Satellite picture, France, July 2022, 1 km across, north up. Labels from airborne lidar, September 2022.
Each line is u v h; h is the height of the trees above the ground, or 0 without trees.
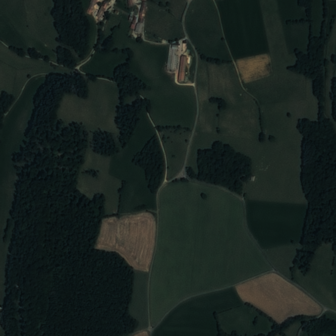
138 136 0
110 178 0
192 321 0
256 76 0
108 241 0
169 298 0
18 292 23
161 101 0
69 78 29
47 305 16
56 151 21
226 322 0
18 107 0
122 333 19
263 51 0
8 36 0
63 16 19
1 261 0
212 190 0
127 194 0
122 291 21
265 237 0
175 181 9
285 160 0
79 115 0
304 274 13
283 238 0
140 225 0
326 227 29
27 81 0
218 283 0
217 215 0
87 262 14
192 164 0
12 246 22
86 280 19
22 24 0
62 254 8
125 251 0
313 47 16
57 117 21
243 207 0
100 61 0
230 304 0
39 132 30
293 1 0
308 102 0
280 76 0
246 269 0
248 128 0
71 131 28
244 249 0
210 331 0
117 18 0
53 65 15
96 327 21
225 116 0
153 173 14
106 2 0
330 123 16
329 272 0
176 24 0
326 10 16
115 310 19
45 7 0
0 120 26
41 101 27
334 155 23
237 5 0
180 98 0
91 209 23
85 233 20
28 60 0
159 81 0
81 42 21
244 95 0
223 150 7
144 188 0
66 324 22
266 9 0
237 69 0
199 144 0
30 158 26
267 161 0
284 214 0
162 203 0
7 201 0
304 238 24
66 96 0
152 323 0
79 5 19
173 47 0
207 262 0
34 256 27
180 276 0
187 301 0
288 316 0
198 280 0
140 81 21
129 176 0
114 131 0
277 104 0
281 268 0
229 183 13
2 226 0
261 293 0
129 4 0
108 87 0
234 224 0
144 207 6
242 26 0
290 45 0
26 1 0
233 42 0
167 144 0
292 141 0
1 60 0
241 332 0
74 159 24
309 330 14
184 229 0
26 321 24
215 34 0
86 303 22
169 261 0
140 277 0
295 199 0
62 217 20
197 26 0
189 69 0
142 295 0
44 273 26
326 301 0
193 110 0
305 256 18
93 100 0
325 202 9
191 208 0
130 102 0
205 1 0
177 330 0
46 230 17
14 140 0
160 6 11
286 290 0
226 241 0
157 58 0
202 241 0
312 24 9
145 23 0
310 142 20
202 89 0
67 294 23
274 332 15
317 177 25
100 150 21
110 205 0
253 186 0
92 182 0
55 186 19
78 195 28
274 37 0
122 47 0
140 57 0
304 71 8
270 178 0
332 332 9
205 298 0
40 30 0
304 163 24
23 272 27
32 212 24
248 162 9
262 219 0
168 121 0
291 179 0
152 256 0
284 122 0
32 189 23
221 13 0
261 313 14
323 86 13
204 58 15
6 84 0
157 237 0
